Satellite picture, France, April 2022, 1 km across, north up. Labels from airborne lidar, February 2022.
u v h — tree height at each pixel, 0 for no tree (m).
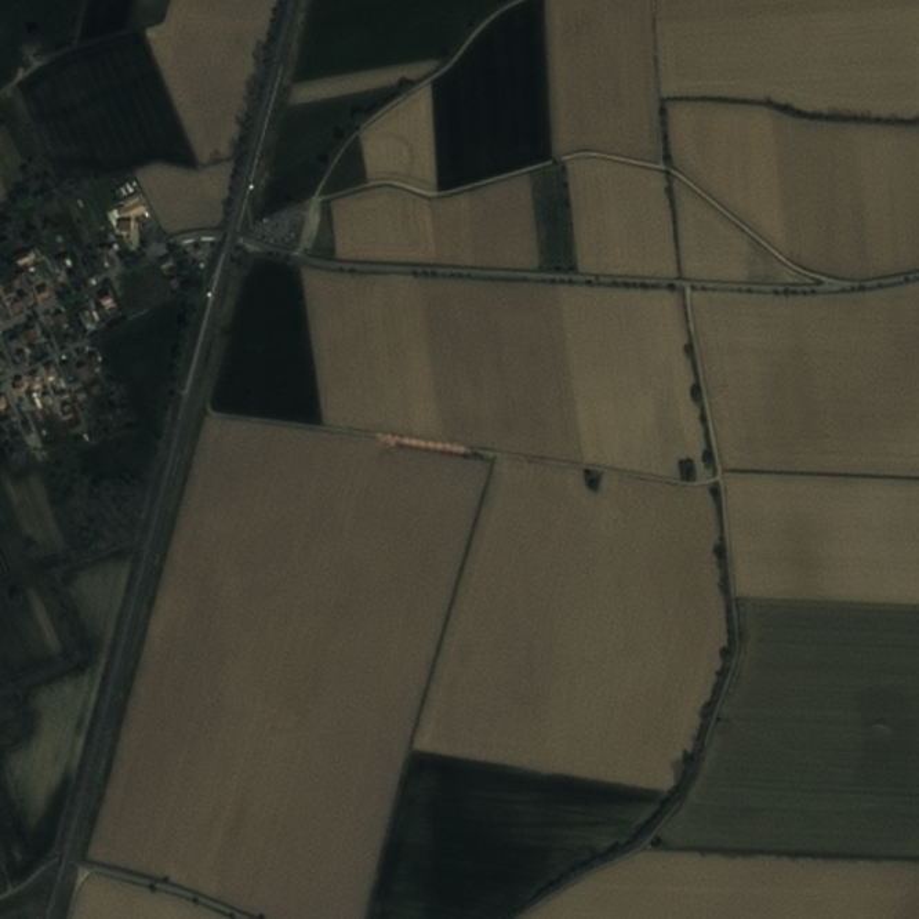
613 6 0
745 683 0
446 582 0
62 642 0
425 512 0
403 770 0
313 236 0
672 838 0
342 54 0
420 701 0
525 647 0
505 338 0
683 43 0
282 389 0
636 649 0
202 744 0
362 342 0
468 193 0
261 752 0
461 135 0
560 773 0
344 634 0
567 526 0
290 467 0
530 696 0
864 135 0
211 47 0
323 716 0
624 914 0
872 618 0
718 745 0
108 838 0
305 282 0
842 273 0
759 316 0
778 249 0
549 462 0
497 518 0
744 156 0
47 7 0
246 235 0
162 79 0
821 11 0
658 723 0
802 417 0
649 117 0
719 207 0
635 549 0
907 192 0
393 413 0
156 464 0
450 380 0
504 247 0
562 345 0
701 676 0
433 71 0
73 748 0
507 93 0
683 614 0
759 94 0
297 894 0
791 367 0
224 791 0
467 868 0
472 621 0
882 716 0
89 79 0
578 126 0
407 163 0
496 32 0
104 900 0
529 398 0
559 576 0
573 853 0
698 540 0
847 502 0
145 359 0
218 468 0
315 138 0
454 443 0
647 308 0
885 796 0
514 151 0
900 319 0
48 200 18
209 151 0
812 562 0
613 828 0
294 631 0
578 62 0
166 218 0
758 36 0
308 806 0
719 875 0
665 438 0
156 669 0
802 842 0
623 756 0
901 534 0
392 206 0
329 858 0
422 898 0
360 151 0
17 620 0
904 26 0
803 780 0
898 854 0
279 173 0
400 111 0
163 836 0
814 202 0
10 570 0
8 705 14
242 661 0
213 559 0
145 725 0
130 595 0
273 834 0
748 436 0
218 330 0
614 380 0
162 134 0
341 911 0
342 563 0
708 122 0
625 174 0
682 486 0
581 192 0
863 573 0
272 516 0
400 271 0
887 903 0
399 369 0
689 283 0
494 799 0
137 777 0
